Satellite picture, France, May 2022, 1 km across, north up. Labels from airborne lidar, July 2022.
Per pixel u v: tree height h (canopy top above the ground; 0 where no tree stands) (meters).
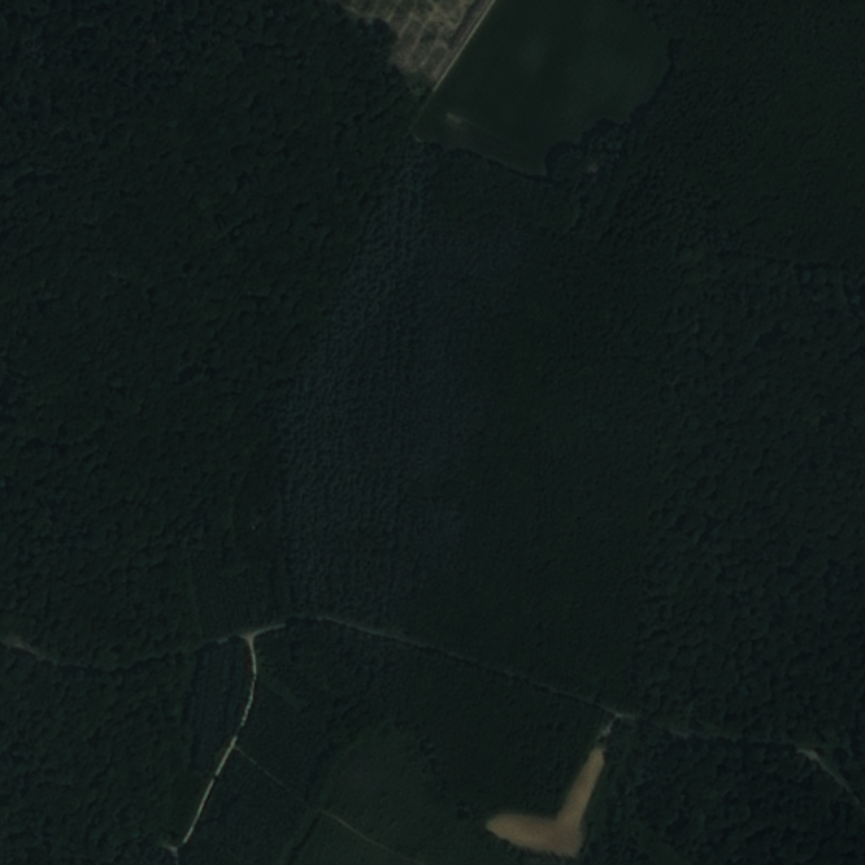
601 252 22
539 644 18
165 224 28
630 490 24
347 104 29
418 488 17
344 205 30
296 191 31
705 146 17
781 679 28
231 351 27
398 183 22
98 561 33
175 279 30
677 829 29
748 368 28
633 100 0
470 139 0
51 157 29
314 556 21
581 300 23
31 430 25
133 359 30
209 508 29
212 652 20
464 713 15
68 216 27
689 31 30
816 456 29
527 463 24
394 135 23
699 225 17
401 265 22
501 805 14
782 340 30
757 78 18
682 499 25
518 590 22
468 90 0
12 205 25
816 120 17
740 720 25
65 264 27
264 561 13
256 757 11
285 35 32
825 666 22
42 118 28
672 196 18
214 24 26
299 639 19
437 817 0
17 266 33
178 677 23
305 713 10
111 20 31
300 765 13
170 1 30
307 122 28
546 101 0
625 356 22
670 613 22
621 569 17
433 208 22
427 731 17
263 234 29
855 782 29
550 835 0
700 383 32
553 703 15
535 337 23
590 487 24
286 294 27
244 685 20
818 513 30
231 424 29
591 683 18
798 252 19
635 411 20
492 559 20
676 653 31
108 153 29
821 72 16
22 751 30
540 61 0
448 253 21
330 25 28
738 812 30
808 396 27
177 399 28
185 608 25
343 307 20
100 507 27
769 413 26
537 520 21
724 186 18
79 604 30
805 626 32
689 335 26
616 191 25
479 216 18
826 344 31
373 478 15
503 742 19
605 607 18
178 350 32
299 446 26
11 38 28
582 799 0
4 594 28
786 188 17
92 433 26
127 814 27
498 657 20
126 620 27
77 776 30
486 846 7
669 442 26
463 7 0
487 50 0
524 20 0
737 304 30
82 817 27
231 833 18
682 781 31
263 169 28
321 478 28
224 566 20
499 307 24
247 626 9
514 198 23
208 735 21
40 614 21
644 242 23
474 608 23
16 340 28
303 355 25
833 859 30
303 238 26
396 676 16
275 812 13
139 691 31
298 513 22
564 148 14
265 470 16
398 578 18
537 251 24
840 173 15
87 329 29
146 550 27
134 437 29
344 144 32
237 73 32
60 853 28
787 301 31
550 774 16
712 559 8
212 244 30
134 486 29
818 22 21
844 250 17
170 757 23
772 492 27
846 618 33
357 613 21
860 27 20
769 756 29
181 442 31
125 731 25
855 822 28
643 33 0
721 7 21
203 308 31
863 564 32
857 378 30
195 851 11
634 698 24
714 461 29
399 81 29
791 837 28
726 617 30
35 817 31
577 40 0
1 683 30
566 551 17
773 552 29
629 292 23
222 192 31
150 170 27
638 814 22
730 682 29
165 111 29
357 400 15
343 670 22
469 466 24
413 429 21
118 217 30
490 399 22
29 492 10
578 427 13
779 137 18
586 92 0
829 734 28
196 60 32
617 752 10
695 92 17
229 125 30
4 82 30
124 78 31
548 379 21
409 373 17
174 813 7
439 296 20
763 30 19
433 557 17
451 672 21
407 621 20
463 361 22
